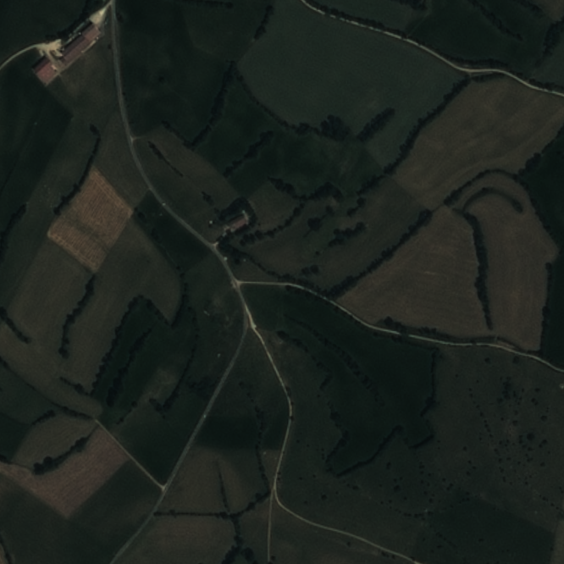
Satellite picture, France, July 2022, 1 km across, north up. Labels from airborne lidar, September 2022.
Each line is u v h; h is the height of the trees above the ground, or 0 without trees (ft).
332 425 0
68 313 0
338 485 0
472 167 0
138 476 0
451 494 0
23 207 20
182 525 0
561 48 0
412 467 0
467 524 0
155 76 0
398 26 0
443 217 0
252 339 0
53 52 0
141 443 0
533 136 0
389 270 0
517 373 0
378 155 0
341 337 0
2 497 0
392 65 0
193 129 0
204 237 0
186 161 0
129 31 0
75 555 0
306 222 0
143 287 0
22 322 0
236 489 0
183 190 0
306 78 0
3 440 0
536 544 0
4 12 0
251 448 0
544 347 26
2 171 0
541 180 0
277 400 0
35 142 0
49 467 54
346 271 0
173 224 0
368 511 0
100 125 0
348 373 0
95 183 0
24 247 0
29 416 0
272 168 0
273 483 0
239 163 26
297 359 0
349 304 0
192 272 0
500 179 0
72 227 0
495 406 0
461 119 0
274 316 0
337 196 53
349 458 0
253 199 0
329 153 0
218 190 0
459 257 0
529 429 0
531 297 0
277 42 0
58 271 0
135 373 0
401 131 0
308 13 0
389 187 0
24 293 0
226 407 0
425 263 0
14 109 0
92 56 0
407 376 0
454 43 0
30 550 0
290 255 0
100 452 0
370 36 0
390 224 0
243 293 0
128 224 0
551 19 0
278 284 0
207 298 0
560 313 0
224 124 0
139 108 0
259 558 0
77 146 0
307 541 0
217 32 0
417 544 0
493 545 0
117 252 0
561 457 0
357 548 0
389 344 0
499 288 0
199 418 0
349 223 0
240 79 45
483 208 0
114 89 0
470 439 0
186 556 0
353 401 0
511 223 0
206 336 0
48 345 0
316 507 0
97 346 0
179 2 22
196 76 0
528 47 0
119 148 0
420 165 0
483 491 0
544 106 0
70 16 0
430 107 0
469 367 0
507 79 0
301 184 0
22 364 0
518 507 0
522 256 0
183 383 21
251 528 0
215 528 0
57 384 0
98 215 0
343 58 0
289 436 0
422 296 0
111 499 0
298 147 0
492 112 0
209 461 0
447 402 0
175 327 23
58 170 0
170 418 0
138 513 0
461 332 0
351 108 0
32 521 0
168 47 0
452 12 0
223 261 0
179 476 0
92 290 63
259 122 0
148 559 0
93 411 0
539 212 40
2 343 0
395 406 0
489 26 0
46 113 0
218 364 0
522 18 0
